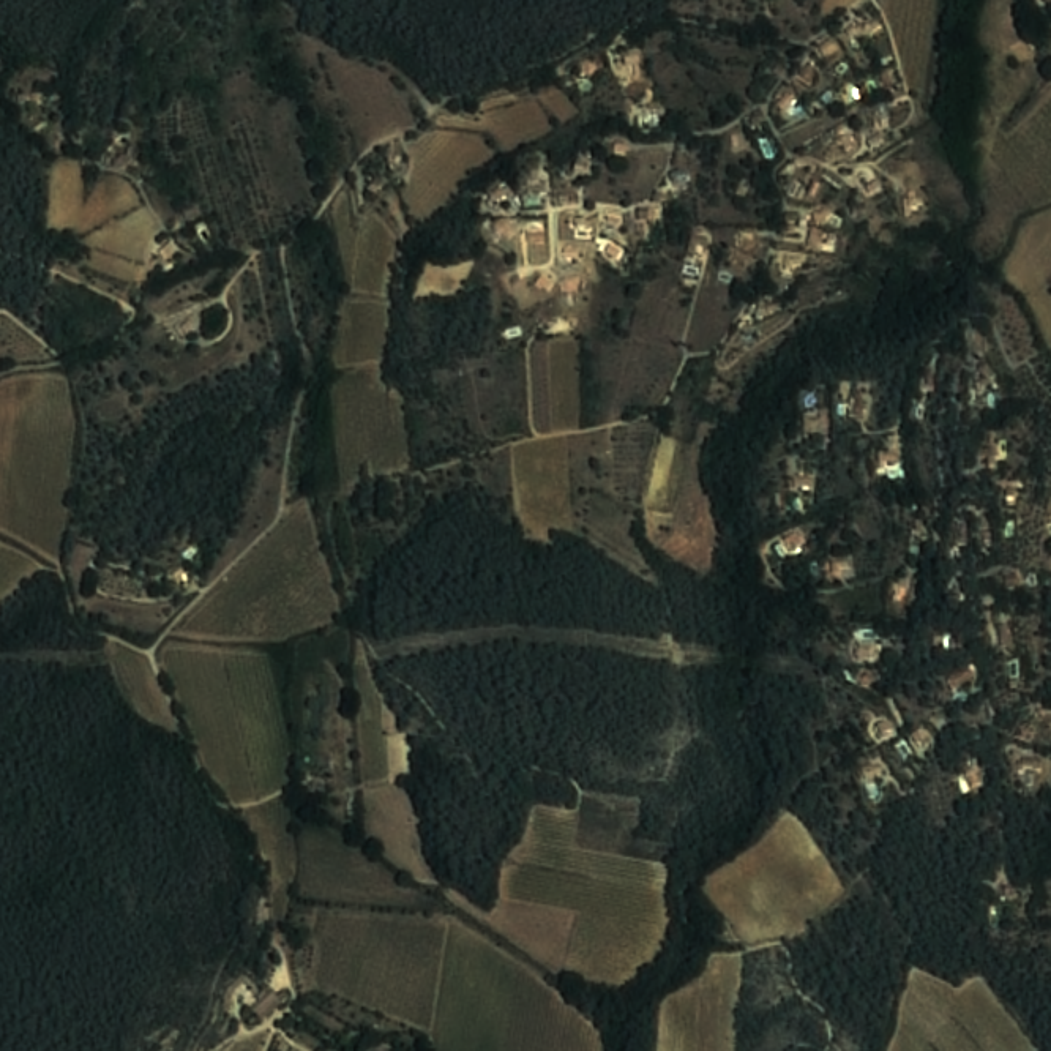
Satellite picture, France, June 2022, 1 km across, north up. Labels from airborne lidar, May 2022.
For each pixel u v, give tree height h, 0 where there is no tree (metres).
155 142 12
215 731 0
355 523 7
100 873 15
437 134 0
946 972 16
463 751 10
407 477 10
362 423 0
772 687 15
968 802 7
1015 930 19
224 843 15
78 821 16
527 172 0
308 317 14
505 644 14
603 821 0
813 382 19
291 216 8
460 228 16
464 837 15
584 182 17
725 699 20
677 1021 0
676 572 10
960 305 9
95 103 9
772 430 21
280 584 0
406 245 12
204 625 0
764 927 0
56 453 0
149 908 14
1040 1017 16
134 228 0
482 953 0
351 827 13
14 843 13
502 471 0
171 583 9
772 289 16
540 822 0
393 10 7
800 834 0
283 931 12
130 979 16
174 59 13
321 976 0
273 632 0
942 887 15
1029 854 23
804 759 17
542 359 0
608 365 0
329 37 15
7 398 0
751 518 19
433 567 22
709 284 0
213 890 6
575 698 20
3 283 13
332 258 10
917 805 12
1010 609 8
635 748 11
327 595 0
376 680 9
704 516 0
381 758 0
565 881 0
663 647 0
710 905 0
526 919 0
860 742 7
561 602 18
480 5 7
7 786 10
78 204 0
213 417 14
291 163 0
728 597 19
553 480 0
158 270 7
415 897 0
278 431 6
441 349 12
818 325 11
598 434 0
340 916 0
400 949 0
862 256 9
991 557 6
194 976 8
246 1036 0
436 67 16
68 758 5
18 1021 15
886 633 8
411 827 0
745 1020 13
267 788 0
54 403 0
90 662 0
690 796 6
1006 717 19
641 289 16
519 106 0
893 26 0
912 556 9
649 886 0
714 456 17
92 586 14
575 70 8
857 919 14
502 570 20
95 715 18
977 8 13
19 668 16
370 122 0
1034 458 9
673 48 8
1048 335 0
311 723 0
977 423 9
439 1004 0
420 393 9
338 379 13
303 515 0
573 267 0
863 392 9
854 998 15
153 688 0
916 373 14
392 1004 0
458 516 16
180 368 0
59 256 14
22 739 15
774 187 9
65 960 19
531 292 0
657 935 0
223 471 11
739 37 11
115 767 12
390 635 17
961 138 13
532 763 12
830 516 14
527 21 17
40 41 11
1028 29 18
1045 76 15
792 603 17
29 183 16
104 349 10
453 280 0
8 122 12
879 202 0
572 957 0
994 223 0
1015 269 0
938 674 16
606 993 11
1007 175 0
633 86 0
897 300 13
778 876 0
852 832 13
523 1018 0
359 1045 11
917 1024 0
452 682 15
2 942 17
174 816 17
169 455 7
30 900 6
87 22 11
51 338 18
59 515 0
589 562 14
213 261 9
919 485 12
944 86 19
